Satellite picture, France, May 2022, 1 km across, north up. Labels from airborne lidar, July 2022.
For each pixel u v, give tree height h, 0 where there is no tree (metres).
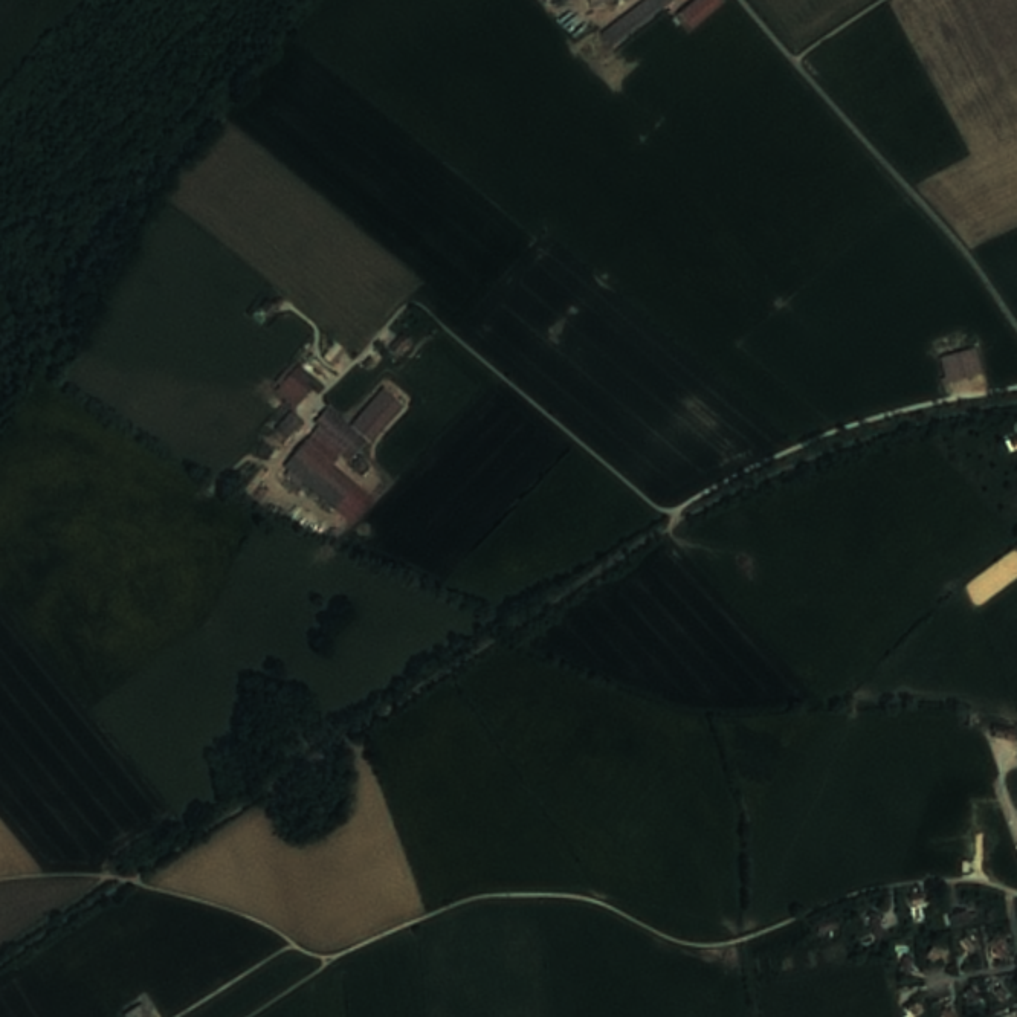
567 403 0
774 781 0
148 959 0
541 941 0
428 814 0
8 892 0
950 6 0
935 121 0
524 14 0
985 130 0
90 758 0
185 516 0
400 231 0
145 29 8
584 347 0
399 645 0
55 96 6
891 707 14
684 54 0
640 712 0
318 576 0
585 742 0
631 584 0
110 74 10
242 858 0
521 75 0
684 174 0
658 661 0
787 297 0
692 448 0
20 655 0
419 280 0
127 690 0
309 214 0
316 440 0
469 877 0
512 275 0
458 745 0
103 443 0
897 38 0
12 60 0
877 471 0
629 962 0
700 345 0
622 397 0
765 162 0
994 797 0
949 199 0
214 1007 0
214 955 0
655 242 0
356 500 0
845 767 0
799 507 0
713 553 0
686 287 0
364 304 0
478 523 0
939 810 0
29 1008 0
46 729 0
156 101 7
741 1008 0
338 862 0
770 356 0
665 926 0
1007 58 0
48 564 0
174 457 10
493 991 0
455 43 0
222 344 0
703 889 0
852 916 11
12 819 0
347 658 0
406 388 0
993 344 0
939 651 0
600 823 0
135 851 8
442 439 0
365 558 20
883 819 0
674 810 0
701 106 0
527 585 0
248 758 31
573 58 0
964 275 0
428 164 0
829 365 0
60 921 12
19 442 0
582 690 0
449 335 0
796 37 0
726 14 0
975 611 0
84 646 0
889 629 0
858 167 0
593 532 0
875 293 0
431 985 0
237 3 9
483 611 24
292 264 0
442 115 0
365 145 0
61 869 0
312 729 26
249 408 0
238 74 21
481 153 0
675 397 0
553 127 0
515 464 0
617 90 0
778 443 0
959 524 0
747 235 0
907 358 0
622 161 0
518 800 0
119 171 7
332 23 0
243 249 0
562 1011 0
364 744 16
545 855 0
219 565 0
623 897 0
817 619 0
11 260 15
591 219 0
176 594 0
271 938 0
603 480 0
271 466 0
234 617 0
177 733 0
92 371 0
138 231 22
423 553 0
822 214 0
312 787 27
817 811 0
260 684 19
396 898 0
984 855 0
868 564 0
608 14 0
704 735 0
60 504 0
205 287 0
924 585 0
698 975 0
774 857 0
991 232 0
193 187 0
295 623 0
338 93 0
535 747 0
